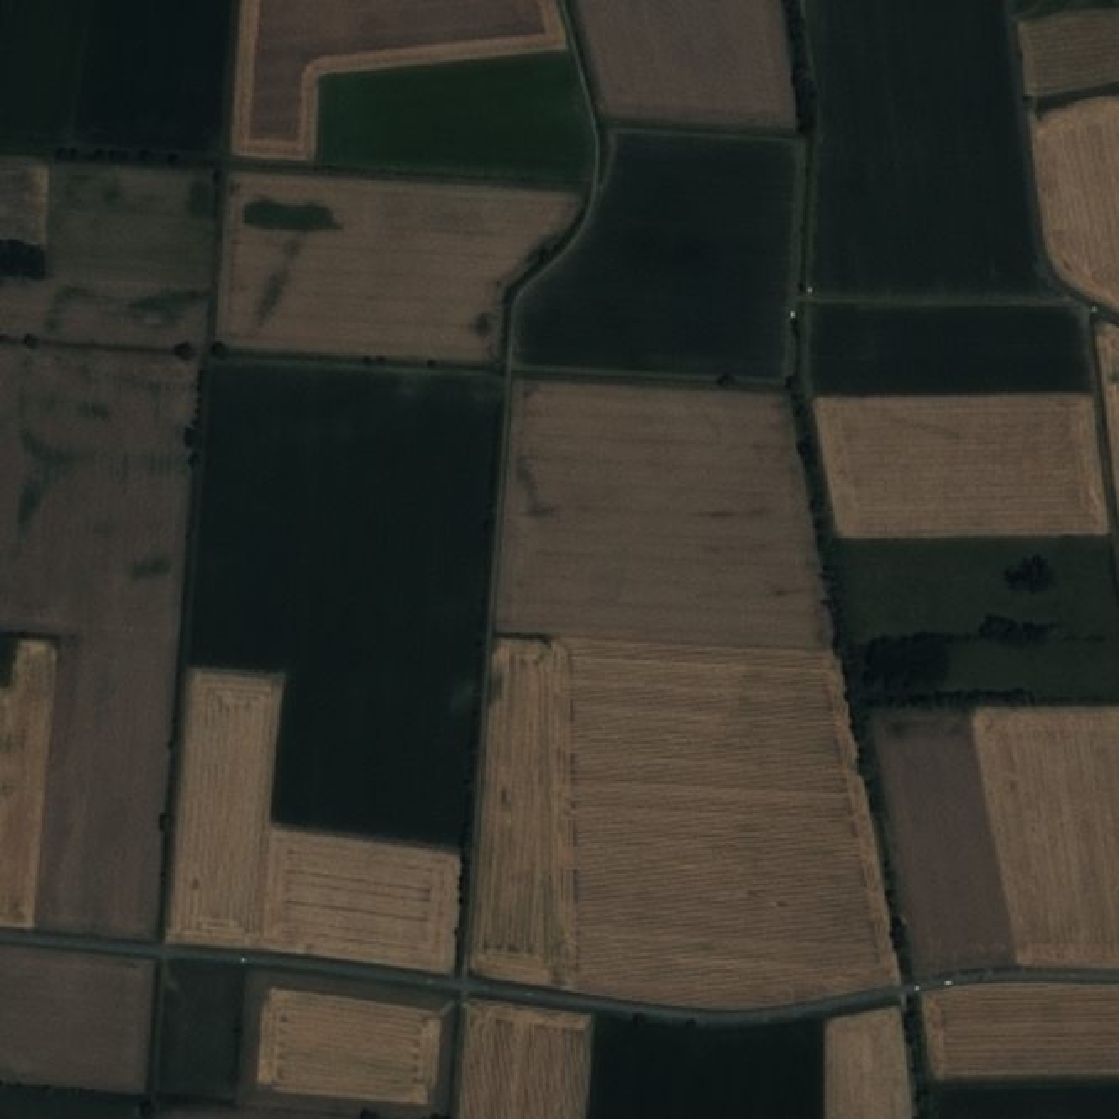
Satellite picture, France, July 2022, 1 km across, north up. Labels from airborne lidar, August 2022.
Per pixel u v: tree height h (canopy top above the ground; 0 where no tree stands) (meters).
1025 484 0
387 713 0
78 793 0
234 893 0
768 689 0
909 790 0
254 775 0
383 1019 0
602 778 0
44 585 0
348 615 0
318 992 0
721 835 0
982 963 0
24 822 0
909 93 0
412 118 0
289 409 0
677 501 0
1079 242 0
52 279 0
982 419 0
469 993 0
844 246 0
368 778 0
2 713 0
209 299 0
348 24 0
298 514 0
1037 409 0
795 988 0
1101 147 0
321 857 0
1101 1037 0
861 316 0
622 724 0
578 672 0
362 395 0
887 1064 0
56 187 0
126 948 0
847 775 0
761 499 0
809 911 0
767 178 0
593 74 0
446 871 0
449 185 0
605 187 0
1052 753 0
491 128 0
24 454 0
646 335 0
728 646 0
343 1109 0
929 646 15
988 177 0
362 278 0
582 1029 0
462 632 0
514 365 0
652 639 0
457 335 0
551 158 0
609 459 0
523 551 0
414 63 0
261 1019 0
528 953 0
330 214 0
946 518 0
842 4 0
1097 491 0
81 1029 0
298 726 0
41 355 0
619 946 0
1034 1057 0
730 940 0
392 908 0
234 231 0
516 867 0
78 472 0
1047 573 24
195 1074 0
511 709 0
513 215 0
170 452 0
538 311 0
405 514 0
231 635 0
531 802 0
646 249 0
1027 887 0
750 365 0
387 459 0
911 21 0
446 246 0
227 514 0
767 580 0
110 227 0
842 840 0
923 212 0
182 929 0
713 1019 0
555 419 0
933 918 0
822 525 16
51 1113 0
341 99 0
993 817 0
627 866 0
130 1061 0
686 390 0
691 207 0
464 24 0
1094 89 0
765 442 0
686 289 0
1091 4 0
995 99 0
